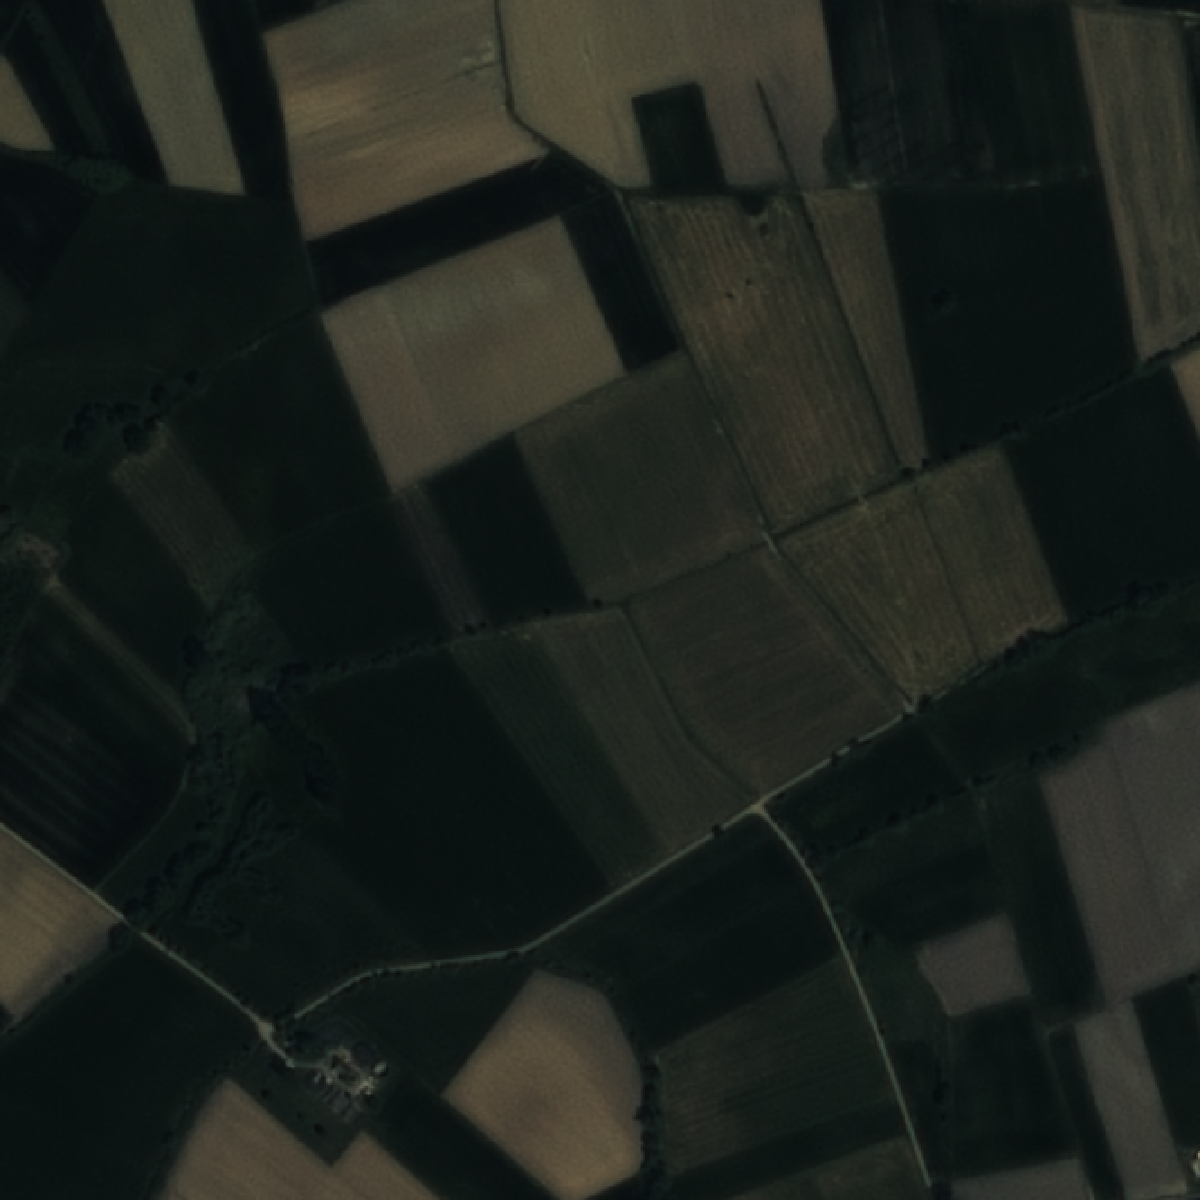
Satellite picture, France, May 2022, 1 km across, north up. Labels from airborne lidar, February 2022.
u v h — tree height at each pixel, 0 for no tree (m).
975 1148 0
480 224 0
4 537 6
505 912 0
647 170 0
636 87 0
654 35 0
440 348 0
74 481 0
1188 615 0
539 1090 0
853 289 0
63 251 0
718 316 0
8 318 0
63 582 0
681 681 0
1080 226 0
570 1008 0
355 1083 0
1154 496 0
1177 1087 0
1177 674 0
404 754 0
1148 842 0
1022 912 0
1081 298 0
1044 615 0
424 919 0
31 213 0
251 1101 0
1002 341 0
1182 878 0
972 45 0
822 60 0
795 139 0
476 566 0
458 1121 0
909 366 0
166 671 0
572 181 0
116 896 0
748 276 0
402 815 0
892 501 0
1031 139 0
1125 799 0
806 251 0
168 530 0
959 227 0
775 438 0
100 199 0
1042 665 0
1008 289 0
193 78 0
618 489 0
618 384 0
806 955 0
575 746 0
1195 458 0
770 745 0
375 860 0
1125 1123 0
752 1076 0
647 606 0
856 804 0
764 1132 0
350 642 0
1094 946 0
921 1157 0
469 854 0
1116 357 0
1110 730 0
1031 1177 0
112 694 0
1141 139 0
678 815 0
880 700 0
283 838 6
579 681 0
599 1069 0
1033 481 0
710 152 0
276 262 0
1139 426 0
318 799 25
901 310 0
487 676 0
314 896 0
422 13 0
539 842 0
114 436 0
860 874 0
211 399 0
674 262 0
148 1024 0
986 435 0
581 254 0
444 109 0
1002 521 0
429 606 0
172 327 0
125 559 0
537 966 0
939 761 0
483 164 0
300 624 0
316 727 0
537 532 0
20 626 0
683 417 0
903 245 0
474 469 0
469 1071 0
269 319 0
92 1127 0
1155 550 0
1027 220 0
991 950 0
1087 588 0
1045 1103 0
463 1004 0
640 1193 0
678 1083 0
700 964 0
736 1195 0
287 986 0
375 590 0
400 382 0
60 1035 0
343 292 0
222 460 0
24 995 0
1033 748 0
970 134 0
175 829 0
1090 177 0
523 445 0
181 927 0
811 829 0
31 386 0
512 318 0
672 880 0
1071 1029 0
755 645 0
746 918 0
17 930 0
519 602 0
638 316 0
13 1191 0
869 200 0
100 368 0
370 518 0
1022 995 0
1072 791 0
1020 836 0
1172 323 0
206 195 0
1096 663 0
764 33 0
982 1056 0
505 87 0
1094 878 0
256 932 0
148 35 0
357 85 0
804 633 0
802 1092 0
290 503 0
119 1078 0
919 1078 0
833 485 0
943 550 0
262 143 0
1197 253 0
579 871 0
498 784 0
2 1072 0
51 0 0
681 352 0
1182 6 0
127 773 0
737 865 0
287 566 0
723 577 0
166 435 0
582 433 0
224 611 7
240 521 0
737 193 0
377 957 0
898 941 0
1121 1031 0
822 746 0
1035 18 0
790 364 0
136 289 0
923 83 0
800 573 0
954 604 0
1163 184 0
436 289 0
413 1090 0
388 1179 0
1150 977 0
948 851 0
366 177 0
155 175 0
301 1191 0
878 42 0
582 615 0
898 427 0
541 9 0
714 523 0
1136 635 0
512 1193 0
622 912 0
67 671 0
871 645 0
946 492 0
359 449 0
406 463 0
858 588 0
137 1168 0
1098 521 0
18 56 0
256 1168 0
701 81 0
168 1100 0
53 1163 0
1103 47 0
